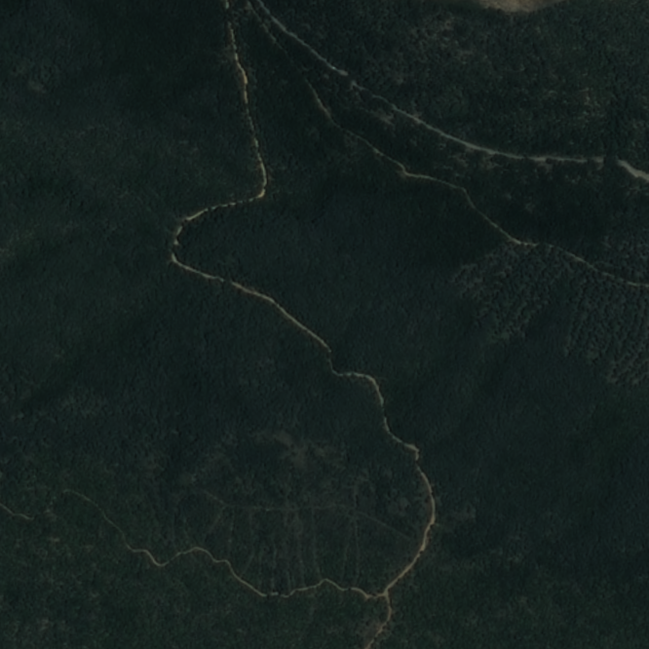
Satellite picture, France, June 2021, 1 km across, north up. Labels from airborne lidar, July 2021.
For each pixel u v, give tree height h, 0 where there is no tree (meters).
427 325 11
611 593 7
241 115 11
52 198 12
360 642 6
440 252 9
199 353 7
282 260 8
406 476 9
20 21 12
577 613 7
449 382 7
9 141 8
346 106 6
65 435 10
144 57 7
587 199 8
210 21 10
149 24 10
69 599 8
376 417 11
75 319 6
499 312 9
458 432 10
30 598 7
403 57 6
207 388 8
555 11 6
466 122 10
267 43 11
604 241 11
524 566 7
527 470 7
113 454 9
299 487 5
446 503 8
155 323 8
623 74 8
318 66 11
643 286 7
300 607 7
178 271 9
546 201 9
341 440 8
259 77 10
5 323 5
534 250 10
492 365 12
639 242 9
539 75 6
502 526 10
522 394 8
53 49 10
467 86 8
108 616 7
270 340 8
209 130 11
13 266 14
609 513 11
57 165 7
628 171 5
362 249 11
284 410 8
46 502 7
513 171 7
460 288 10
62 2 9
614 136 13
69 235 10
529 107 11
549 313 12
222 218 14
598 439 10
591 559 10
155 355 9
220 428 11
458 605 6
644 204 8
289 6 9
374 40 11
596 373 10
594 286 13
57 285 8
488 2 0
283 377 9
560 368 10
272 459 7
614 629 6
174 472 7
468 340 13
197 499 6
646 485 6
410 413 14
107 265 10
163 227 12
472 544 8
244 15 7
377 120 7
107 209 9
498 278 8
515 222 9
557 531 8
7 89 9
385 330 7
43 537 6
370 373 9
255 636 5
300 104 10
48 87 10
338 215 10
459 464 8
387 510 7
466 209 7
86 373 12
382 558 6
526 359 11
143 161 9
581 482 11
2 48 11
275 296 9
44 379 8
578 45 8
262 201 8
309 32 6
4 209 9
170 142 7
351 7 10
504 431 6
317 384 7
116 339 9
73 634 6
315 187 10
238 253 10
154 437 9
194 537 7
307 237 11
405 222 7
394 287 11
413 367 8
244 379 7
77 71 9
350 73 8
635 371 11
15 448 8
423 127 10
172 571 7
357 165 9
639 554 8
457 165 8
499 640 6
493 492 10
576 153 10
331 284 9
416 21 6
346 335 14
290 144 9
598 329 12
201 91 10
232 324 9
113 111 9
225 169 6
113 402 6
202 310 9
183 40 8
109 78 8
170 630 6
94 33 9
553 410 8
